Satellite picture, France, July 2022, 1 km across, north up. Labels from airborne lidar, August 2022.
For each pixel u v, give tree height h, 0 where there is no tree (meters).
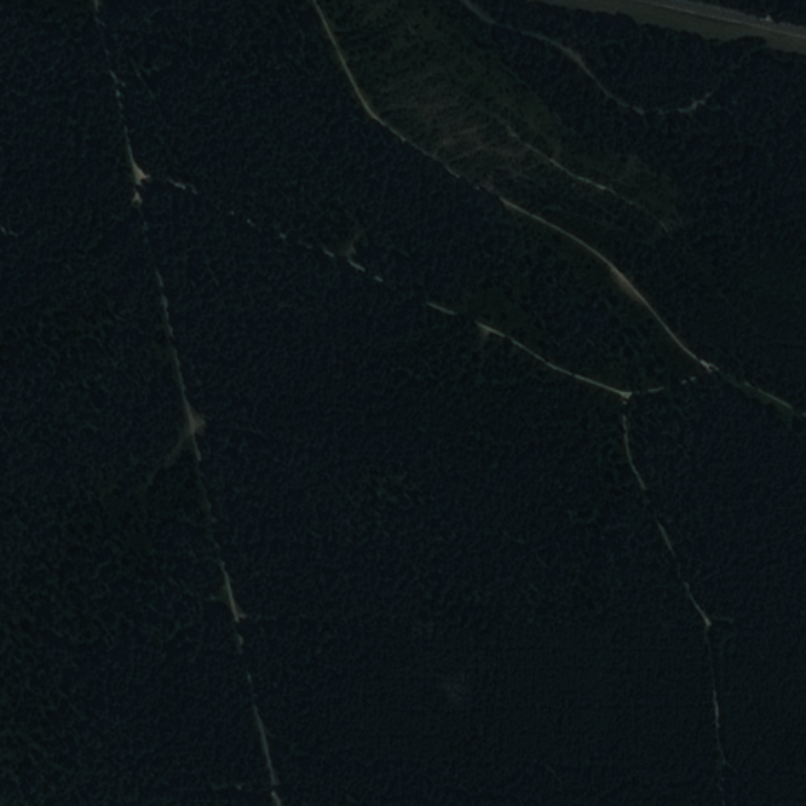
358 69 13
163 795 34
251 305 35
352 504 33
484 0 24
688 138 8
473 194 40
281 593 32
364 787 27
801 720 23
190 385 23
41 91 35
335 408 23
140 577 6
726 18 0
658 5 0
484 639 15
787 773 22
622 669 18
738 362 25
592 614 13
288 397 28
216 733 35
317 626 22
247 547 30
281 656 28
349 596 29
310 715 29
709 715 16
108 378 34
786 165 28
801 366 15
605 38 27
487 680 16
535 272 13
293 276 35
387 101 7
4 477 34
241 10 16
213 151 40
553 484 23
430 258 35
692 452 32
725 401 31
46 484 28
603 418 13
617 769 22
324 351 32
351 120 40
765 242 17
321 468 32
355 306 18
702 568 33
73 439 33
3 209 33
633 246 7
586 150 14
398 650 16
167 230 38
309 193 34
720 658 18
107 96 37
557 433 16
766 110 31
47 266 28
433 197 30
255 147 32
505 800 29
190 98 34
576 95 17
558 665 14
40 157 26
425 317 7
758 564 29
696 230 11
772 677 20
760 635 20
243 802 33
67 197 30
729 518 32
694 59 27
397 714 17
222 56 17
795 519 32
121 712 34
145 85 31
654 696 22
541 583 25
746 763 22
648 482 24
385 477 33
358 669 27
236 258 35
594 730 22
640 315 6
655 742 18
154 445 31
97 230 23
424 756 22
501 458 20
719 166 20
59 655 15
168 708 29
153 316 30
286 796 33
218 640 32
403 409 20
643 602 22
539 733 21
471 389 13
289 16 38
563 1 0
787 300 6
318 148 16
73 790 12
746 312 12
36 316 21
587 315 19
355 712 26
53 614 36
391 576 35
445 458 24
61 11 7
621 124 30
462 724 20
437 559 35
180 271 38
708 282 8
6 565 40
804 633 21
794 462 29
